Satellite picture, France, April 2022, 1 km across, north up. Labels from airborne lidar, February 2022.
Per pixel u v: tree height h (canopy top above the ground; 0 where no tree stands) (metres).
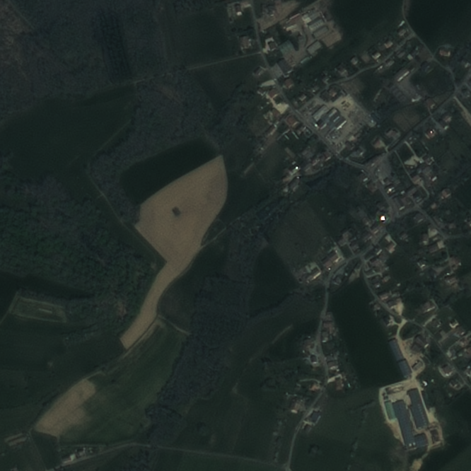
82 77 24
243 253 19
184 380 24
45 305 0
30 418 0
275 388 8
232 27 0
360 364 0
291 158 0
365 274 7
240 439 0
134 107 0
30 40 21
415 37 0
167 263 0
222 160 0
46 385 0
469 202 0
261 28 0
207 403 0
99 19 19
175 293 0
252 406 0
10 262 21
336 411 0
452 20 0
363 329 0
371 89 0
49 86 25
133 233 0
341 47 0
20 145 0
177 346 0
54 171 0
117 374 0
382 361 0
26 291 9
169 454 0
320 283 0
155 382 0
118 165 22
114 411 0
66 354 0
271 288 0
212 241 0
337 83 0
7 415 0
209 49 0
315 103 0
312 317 0
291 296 14
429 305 0
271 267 0
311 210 0
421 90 0
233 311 21
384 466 0
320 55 0
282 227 0
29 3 15
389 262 0
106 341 0
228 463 0
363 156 0
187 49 0
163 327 0
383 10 0
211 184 0
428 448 0
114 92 0
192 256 0
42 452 0
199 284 0
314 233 0
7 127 0
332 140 0
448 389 0
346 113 0
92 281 19
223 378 10
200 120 25
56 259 26
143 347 0
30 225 20
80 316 11
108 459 0
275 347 0
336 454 0
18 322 0
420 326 0
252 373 0
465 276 0
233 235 18
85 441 0
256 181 0
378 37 0
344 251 0
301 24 0
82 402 0
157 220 0
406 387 0
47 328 0
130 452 0
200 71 0
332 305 0
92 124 0
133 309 27
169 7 0
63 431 0
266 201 10
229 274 0
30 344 0
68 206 26
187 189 0
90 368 0
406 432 0
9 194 19
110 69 20
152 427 0
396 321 0
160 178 0
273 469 0
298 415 0
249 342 0
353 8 0
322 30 0
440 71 0
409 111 0
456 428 0
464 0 0
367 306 0
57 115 0
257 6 0
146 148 22
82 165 0
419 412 0
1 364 0
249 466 0
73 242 19
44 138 0
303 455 0
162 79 10
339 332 0
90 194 0
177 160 0
